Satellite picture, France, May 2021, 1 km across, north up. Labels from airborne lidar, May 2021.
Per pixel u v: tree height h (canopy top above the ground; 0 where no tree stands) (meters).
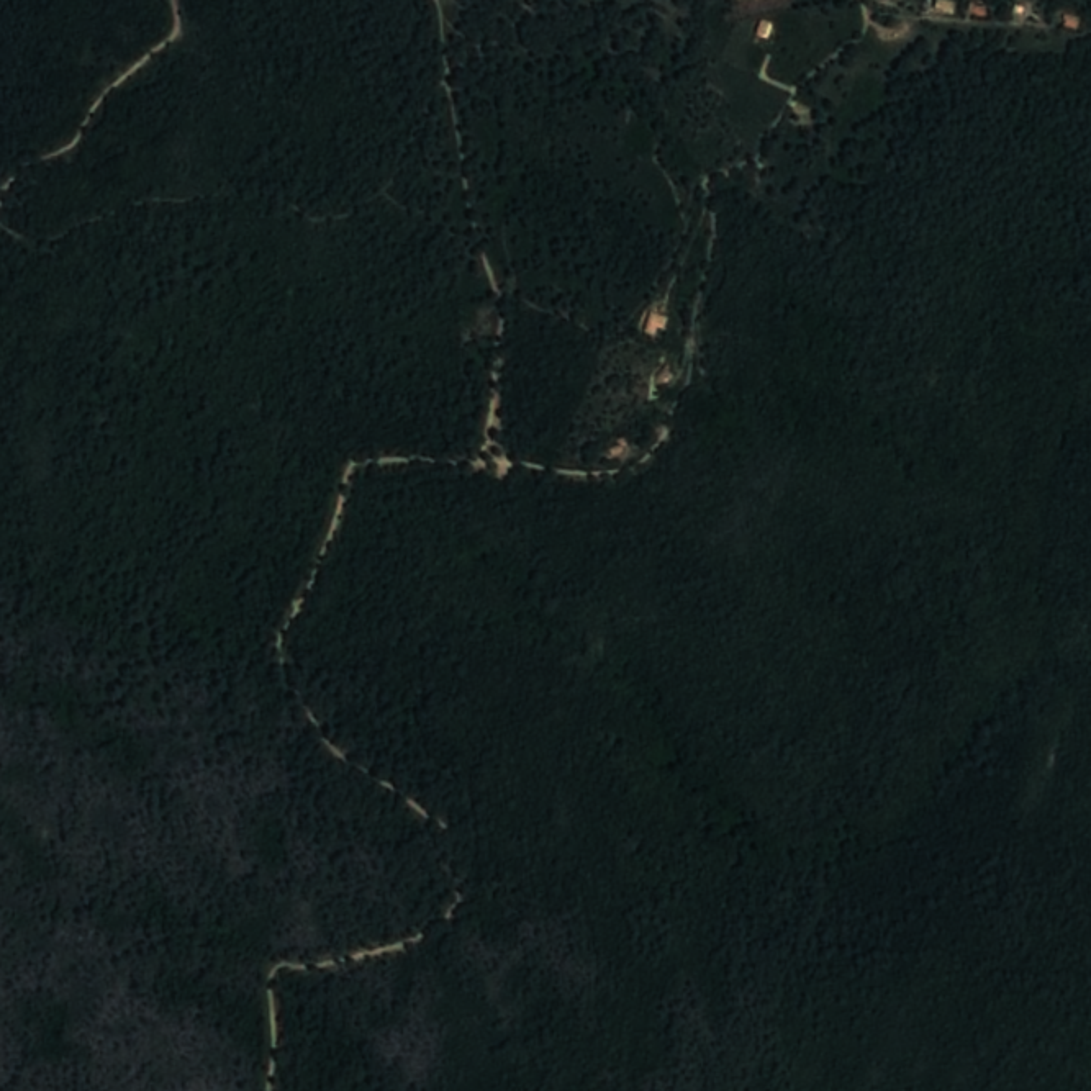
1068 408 17
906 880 11
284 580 10
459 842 16
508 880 12
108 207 6
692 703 9
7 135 17
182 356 6
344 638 14
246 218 6
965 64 18
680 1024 21
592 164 11
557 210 11
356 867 17
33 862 7
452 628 15
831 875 14
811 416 10
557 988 13
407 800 16
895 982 7
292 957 18
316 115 6
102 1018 14
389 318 13
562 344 10
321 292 7
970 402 10
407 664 16
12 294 8
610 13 23
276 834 9
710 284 11
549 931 13
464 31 17
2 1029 14
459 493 9
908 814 9
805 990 8
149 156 6
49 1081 14
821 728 12
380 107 6
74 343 18
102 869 16
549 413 7
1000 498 13
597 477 8
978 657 8
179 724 17
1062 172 10
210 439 9
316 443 17
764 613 12
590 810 7
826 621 9
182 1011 7
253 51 5
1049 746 7
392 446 14
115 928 6
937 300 12
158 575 19
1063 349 14
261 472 7
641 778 16
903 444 12
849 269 7
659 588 6
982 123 19
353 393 18
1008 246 16
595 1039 11
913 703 17
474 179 14
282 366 8
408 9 19
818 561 9
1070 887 8
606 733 13
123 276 8
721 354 6
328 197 15
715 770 9
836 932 11
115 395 8
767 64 0
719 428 7
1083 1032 6
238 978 13
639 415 7
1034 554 12
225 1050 8
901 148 15
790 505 9
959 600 16
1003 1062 12
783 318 18
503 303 15
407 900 6
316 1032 15
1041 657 10
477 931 11
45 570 7
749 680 7
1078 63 12
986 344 19
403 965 7
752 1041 16
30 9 11
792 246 8
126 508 7
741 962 16
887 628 13
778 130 8
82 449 17
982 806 8
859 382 13
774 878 9
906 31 0
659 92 18
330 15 14
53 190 11
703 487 8
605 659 13
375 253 11
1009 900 17
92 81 9
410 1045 15
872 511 7
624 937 8
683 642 9
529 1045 12
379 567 15
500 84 19
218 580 7
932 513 10
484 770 17
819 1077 7
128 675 18
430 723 19
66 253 13
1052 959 12
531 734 9
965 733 12
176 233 15
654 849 15
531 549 8
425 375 11
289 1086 11
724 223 10
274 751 16
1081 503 10
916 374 10
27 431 13
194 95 10
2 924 7
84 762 14
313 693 24
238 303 9
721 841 23
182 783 18
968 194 15
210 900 15
